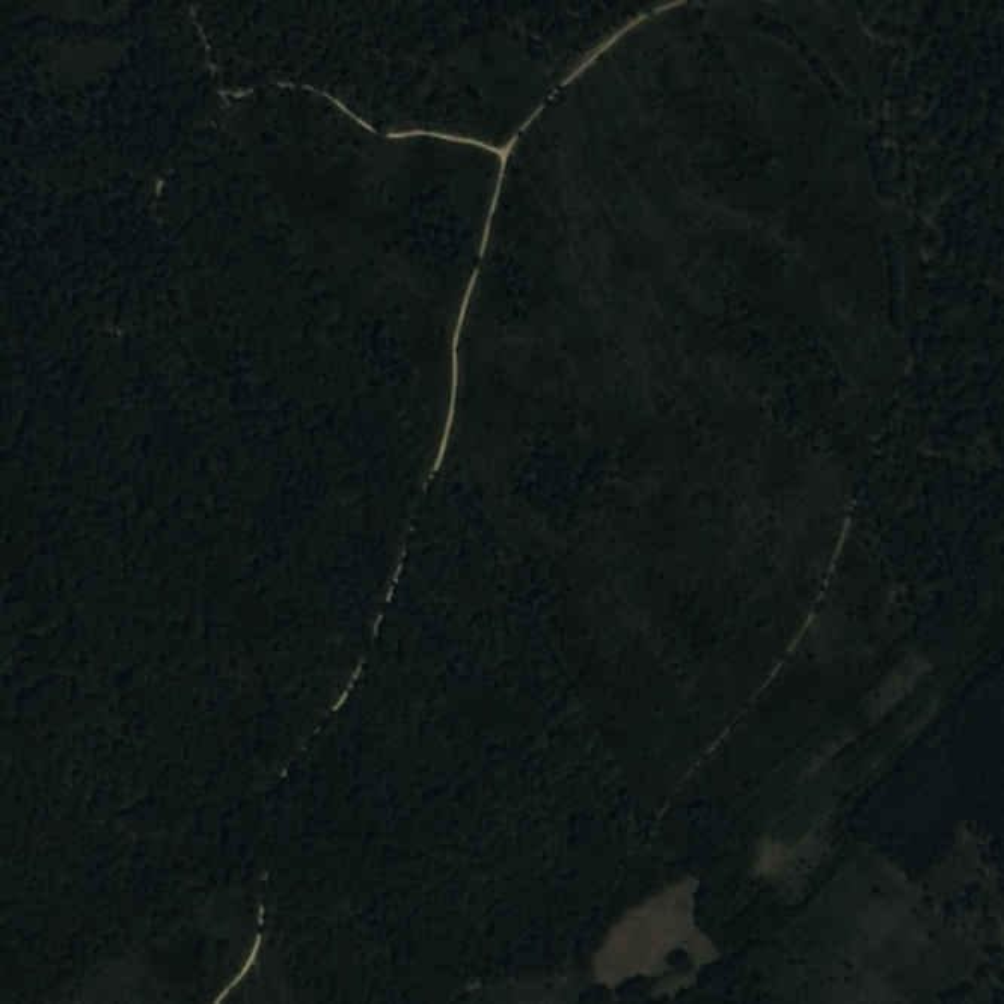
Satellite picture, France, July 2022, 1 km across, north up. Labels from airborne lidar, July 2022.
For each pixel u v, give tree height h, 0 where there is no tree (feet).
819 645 0
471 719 73
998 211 82
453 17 95
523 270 79
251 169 55
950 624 77
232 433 62
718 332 27
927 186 62
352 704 43
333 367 61
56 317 79
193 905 67
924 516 60
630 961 0
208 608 72
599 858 62
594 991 64
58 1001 56
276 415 77
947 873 0
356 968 61
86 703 59
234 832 86
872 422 27
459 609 66
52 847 49
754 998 68
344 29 64
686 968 77
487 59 73
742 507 21
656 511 19
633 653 21
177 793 73
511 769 89
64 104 89
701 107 18
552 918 80
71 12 0
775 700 19
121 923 24
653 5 87
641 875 72
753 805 20
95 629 62
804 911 36
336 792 80
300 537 66
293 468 79
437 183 21
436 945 64
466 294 0
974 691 60
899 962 0
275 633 71
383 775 64
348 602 60
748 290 22
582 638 53
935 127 72
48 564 64
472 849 66
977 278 72
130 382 53
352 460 69
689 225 19
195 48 64
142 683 70
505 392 20
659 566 32
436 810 61
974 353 82
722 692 21
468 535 56
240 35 64
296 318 77
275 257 71
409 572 57
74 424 65
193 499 71
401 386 27
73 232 73
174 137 82
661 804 20
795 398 63
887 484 49
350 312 20
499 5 87
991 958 66
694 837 44
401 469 52
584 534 19
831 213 19
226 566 77
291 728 57
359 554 53
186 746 60
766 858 0
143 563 73
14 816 61
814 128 18
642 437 21
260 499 77
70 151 60
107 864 52
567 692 70
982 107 106
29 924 63
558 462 70
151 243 64
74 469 78
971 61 79
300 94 22
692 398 20
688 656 19
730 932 37
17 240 65
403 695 59
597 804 55
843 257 19
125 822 51
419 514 50
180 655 79
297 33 62
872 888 0
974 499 91
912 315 19
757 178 23
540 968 62
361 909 59
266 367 71
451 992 68
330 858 87
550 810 58
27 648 71
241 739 68
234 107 68
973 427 97
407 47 63
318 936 55
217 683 52
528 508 29
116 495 81
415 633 61
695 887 0
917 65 47
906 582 62
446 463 21
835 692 18
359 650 58
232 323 62
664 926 0
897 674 0
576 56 19
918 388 63
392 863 81
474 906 55
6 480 78
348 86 64
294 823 82
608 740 25
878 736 20
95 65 0
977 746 49
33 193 70
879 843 47
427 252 67
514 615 64
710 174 21
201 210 60
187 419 51
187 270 64
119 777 58
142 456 73
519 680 58
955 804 43
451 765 66
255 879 76
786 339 22
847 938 0
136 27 62
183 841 59
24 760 62
